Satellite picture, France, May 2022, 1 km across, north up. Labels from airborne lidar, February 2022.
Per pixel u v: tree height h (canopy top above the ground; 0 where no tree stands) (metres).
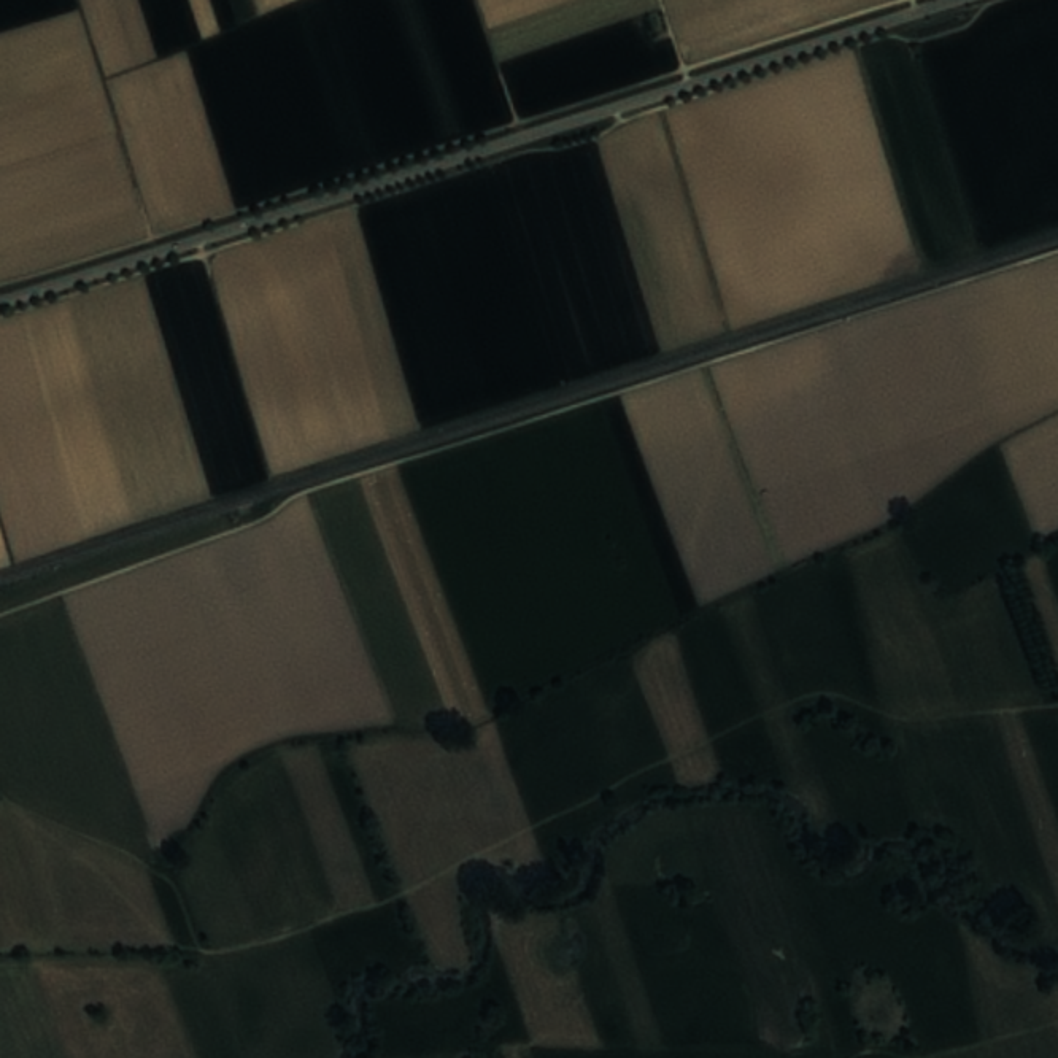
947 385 0
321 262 0
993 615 0
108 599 0
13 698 0
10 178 0
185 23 0
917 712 0
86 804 0
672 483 0
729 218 0
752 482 0
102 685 0
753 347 0
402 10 0
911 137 0
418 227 0
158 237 0
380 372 0
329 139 0
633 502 0
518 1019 0
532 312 0
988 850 0
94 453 0
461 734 33
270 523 0
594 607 0
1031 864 0
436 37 0
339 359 0
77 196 0
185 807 0
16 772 0
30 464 0
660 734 0
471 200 0
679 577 0
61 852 0
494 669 0
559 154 0
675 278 0
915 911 13
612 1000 0
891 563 0
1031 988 0
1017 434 0
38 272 0
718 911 0
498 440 0
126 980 0
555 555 0
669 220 0
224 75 0
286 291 0
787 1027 0
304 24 0
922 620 0
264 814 0
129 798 0
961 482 0
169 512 0
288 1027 0
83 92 0
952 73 0
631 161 0
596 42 0
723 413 0
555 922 0
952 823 0
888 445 0
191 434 0
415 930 14
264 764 0
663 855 0
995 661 0
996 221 0
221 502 0
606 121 0
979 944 0
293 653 0
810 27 0
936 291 0
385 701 0
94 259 0
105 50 0
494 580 0
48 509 0
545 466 0
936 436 0
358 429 0
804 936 0
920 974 0
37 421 0
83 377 0
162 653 0
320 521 0
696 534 0
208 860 0
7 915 0
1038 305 0
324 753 0
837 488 0
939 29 0
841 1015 0
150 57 0
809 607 0
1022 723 0
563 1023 0
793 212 0
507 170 0
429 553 0
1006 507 0
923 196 0
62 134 0
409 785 0
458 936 0
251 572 0
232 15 0
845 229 0
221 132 0
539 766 0
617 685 0
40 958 0
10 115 0
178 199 0
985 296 0
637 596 0
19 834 0
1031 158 0
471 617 0
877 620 0
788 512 0
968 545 0
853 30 0
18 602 0
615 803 14
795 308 0
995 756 0
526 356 0
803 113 0
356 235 0
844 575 0
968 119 0
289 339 0
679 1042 0
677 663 0
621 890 0
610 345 0
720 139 0
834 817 0
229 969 0
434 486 0
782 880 0
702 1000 0
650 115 0
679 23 0
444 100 0
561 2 0
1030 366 0
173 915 0
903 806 0
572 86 0
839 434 0
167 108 0
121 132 0
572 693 0
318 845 0
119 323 0
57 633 0
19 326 0
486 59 0
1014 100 0
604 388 0
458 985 9
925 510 0
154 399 0
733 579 0
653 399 0
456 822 0
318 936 0
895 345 0
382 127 0
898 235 0
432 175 11
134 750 0
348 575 0
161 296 0
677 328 0
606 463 0
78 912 0
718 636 0
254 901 0
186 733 0
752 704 0
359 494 0
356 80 0
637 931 0
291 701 0
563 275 0
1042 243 0
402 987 7
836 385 0
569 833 0
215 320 0
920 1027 0
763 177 0
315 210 0
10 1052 0
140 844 0
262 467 0
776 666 0
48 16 0
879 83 0
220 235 0
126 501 0
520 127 0
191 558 0
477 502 0
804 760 0
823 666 0
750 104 0
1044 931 0
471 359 0
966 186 0
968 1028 0
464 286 0
